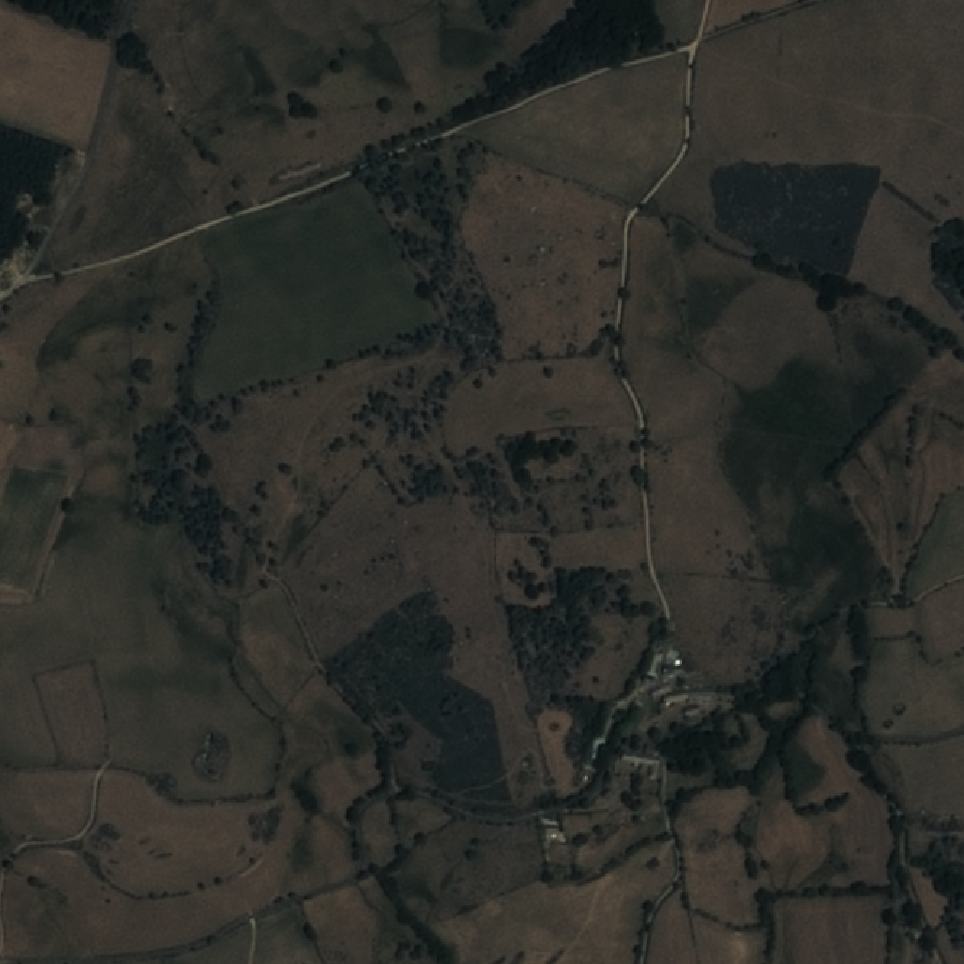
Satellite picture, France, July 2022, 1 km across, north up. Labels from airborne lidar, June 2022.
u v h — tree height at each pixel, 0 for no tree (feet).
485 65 0
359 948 0
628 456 0
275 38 0
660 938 0
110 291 0
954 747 0
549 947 0
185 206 0
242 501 0
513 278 0
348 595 0
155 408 0
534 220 0
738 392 0
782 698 56
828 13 0
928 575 0
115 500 0
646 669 38
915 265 0
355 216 0
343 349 0
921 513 0
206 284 0
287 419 0
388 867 21
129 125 0
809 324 0
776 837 0
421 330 37
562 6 0
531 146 0
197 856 0
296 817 0
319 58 0
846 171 0
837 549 0
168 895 21
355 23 0
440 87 0
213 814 0
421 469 46
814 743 0
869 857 0
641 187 0
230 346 0
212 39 0
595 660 0
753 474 0
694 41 0
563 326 0
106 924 0
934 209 0
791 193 0
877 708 0
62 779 0
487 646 0
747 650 0
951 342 48
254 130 0
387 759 35
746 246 0
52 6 60
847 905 0
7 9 0
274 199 0
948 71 0
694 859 0
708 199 0
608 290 0
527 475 52
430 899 0
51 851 0
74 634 0
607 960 0
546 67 34
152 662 0
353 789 0
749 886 0
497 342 32
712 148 0
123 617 0
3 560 0
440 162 45
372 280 0
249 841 0
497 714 0
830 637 0
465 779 0
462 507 0
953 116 0
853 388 0
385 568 0
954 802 0
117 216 0
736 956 0
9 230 59
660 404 0
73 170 0
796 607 0
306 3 0
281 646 0
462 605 0
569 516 0
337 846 0
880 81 0
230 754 0
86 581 0
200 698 0
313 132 0
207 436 0
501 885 0
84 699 0
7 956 0
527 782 0
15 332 0
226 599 0
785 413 0
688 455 0
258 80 0
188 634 0
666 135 0
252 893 0
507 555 0
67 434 0
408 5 0
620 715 31
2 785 0
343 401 0
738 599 0
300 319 0
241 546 0
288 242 0
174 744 0
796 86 0
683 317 0
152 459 0
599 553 0
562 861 0
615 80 0
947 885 47
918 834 0
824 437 0
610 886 0
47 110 0
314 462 0
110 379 0
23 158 52
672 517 0
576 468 0
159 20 0
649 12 62
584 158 0
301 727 0
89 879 0
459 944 0
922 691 0
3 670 0
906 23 0
